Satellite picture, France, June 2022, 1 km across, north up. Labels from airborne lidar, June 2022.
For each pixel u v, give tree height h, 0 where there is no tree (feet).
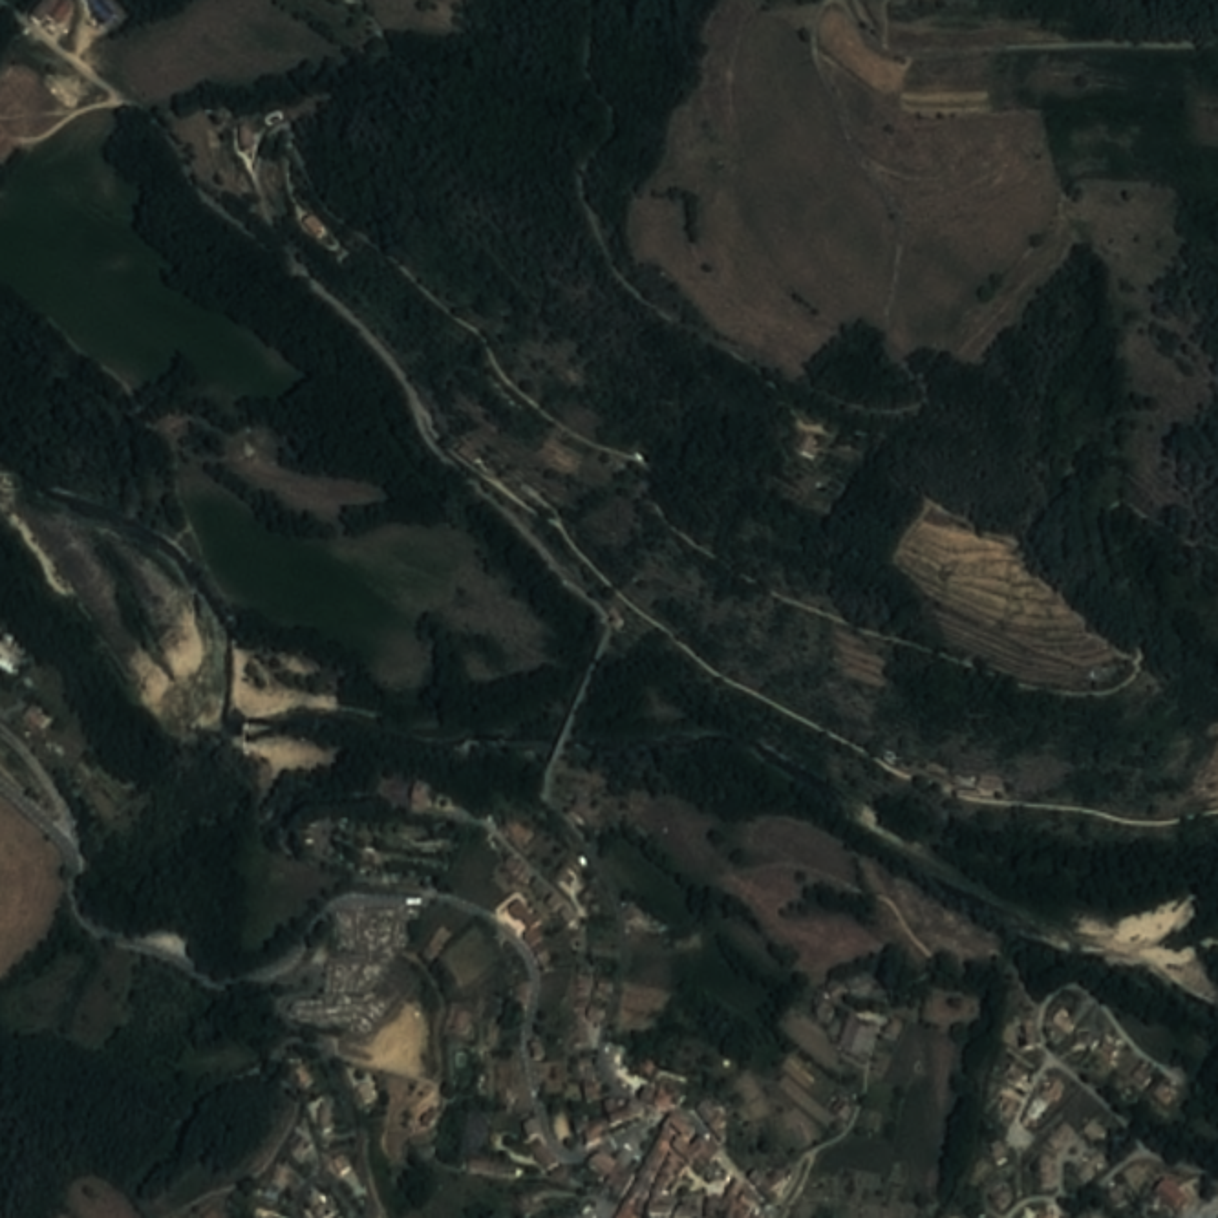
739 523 32
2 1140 52
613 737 58
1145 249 0
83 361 39
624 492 35
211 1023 50
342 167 25
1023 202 0
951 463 46
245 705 0
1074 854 61
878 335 32
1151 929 0
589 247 52
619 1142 0
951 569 0
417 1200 40
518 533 38
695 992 23
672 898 0
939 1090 0
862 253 0
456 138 45
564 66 36
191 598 0
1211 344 36
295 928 43
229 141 24
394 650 0
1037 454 25
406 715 41
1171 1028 40
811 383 20
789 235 0
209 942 51
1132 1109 25
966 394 47
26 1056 68
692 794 31
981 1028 50
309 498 0
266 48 0
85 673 57
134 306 0
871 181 0
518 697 64
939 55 0
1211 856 71
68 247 0
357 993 0
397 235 53
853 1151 0
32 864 0
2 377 92
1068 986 59
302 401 75
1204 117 0
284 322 71
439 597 0
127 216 0
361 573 0
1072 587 51
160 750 52
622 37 53
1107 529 52
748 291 0
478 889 0
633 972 0
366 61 44
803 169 0
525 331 19
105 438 98
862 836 70
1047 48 0
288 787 78
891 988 107
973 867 39
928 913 0
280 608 0
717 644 29
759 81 0
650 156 36
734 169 0
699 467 25
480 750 56
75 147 0
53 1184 60
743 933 0
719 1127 0
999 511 45
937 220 0
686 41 22
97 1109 58
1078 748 22
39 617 44
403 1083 0
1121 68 0
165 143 50
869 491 42
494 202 36
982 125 0
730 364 31
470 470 29
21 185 0
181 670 0
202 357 0
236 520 0
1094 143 0
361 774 67
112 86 0
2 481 0
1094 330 46
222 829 64
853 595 54
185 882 31
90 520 0
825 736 29
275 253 39
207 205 30
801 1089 0
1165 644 83
